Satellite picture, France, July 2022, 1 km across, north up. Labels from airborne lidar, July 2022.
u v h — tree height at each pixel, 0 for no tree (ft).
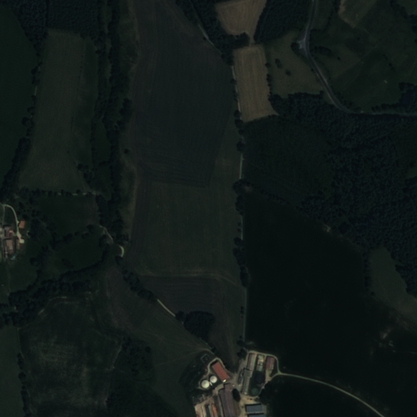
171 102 0
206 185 0
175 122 0
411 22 43
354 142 97
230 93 0
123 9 0
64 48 0
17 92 0
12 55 0
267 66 37
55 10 70
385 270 0
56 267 0
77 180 0
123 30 0
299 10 64
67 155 0
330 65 0
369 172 19
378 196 109
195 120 0
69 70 0
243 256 56
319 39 0
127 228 0
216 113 0
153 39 0
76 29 62
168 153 0
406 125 55
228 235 0
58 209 0
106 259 48
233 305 0
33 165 0
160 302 0
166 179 0
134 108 0
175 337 0
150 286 0
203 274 0
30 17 84
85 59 0
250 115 0
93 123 20
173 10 0
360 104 0
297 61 0
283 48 0
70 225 0
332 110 105
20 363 55
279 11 85
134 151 0
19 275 0
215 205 0
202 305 0
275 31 79
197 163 0
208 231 0
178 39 0
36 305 77
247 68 0
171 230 0
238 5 0
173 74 0
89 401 0
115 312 0
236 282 0
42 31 79
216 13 50
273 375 0
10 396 0
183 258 0
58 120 0
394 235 126
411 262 111
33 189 0
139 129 0
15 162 59
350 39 0
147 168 0
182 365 0
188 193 0
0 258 0
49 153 0
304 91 0
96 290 0
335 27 0
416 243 112
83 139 0
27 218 78
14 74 0
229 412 0
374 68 0
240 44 41
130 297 0
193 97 0
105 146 0
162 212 0
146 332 0
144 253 0
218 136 0
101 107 25
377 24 0
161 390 0
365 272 45
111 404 38
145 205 0
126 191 0
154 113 0
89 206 0
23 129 0
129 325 0
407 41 0
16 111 0
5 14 0
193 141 0
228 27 0
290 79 0
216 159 0
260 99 0
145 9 0
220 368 0
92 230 76
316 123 110
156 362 0
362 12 0
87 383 0
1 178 0
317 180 21
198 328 65
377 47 0
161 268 0
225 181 0
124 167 0
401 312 0
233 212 0
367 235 131
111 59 45
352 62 0
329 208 81
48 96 0
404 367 0
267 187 0
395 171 135
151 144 0
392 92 0
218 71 0
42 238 109
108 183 0
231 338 0
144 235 0
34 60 0
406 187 31
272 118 45
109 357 0
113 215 31
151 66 0
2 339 0
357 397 0
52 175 0
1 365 0
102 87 29
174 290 0
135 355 62
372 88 0
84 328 0
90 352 0
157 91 0
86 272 61
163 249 0
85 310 0
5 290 0
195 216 0
